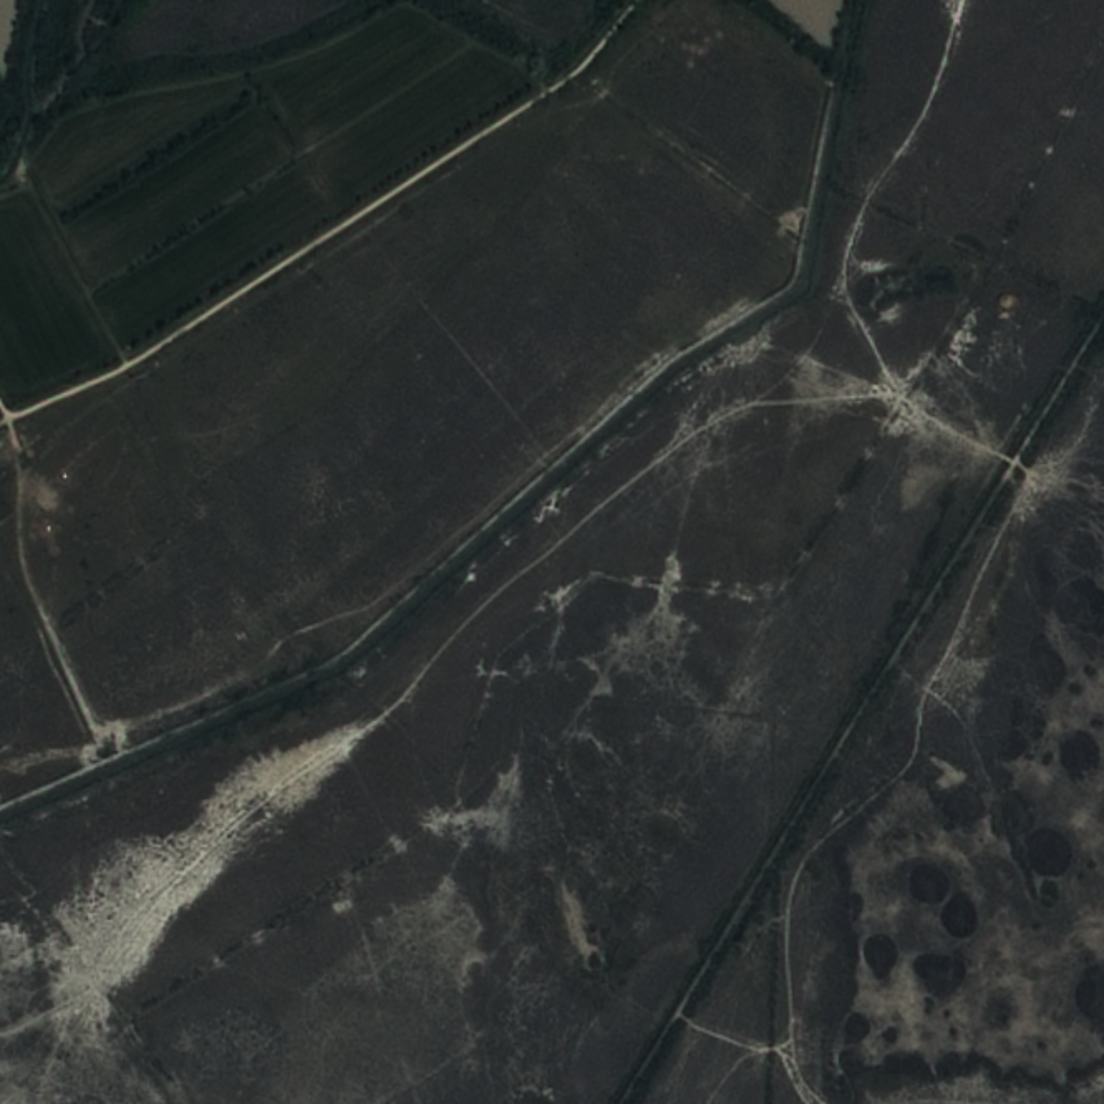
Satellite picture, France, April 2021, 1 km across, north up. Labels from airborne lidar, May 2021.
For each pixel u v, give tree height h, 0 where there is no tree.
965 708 0
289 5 0
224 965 0
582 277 0
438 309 0
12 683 0
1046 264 0
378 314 0
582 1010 0
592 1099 0
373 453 0
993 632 0
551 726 0
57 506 0
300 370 0
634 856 0
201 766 0
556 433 0
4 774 0
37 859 0
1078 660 0
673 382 0
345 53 0
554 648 0
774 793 0
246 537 0
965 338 0
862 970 0
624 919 0
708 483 0
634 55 0
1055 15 0
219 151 0
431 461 0
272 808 0
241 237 0
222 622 0
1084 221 0
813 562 0
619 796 0
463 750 0
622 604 0
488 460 0
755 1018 0
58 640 0
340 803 0
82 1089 0
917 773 0
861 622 0
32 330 0
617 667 0
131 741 0
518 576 0
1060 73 0
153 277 0
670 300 0
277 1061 0
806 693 0
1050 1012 0
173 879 0
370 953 0
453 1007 0
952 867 0
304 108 0
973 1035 0
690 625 0
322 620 0
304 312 0
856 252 0
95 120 0
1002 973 0
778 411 0
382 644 0
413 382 0
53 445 0
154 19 0
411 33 0
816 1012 0
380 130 0
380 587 0
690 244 0
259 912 0
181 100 0
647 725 0
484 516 0
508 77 0
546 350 0
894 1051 0
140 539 0
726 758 0
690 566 0
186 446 0
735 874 0
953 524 0
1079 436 0
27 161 0
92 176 0
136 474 0
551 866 0
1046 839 0
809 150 0
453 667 0
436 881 0
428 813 0
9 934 0
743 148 0
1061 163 0
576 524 0
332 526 0
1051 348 0
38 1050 0
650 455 0
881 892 0
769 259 0
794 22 7
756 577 0
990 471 0
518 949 0
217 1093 0
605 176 0
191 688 0
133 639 0
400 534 0
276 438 0
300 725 0
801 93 0
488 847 0
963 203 0
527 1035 0
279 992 0
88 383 0
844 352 0
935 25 0
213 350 0
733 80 0
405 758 0
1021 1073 0
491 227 0
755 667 0
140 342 8
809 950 0
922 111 0
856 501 0
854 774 0
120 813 0
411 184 0
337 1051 0
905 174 0
